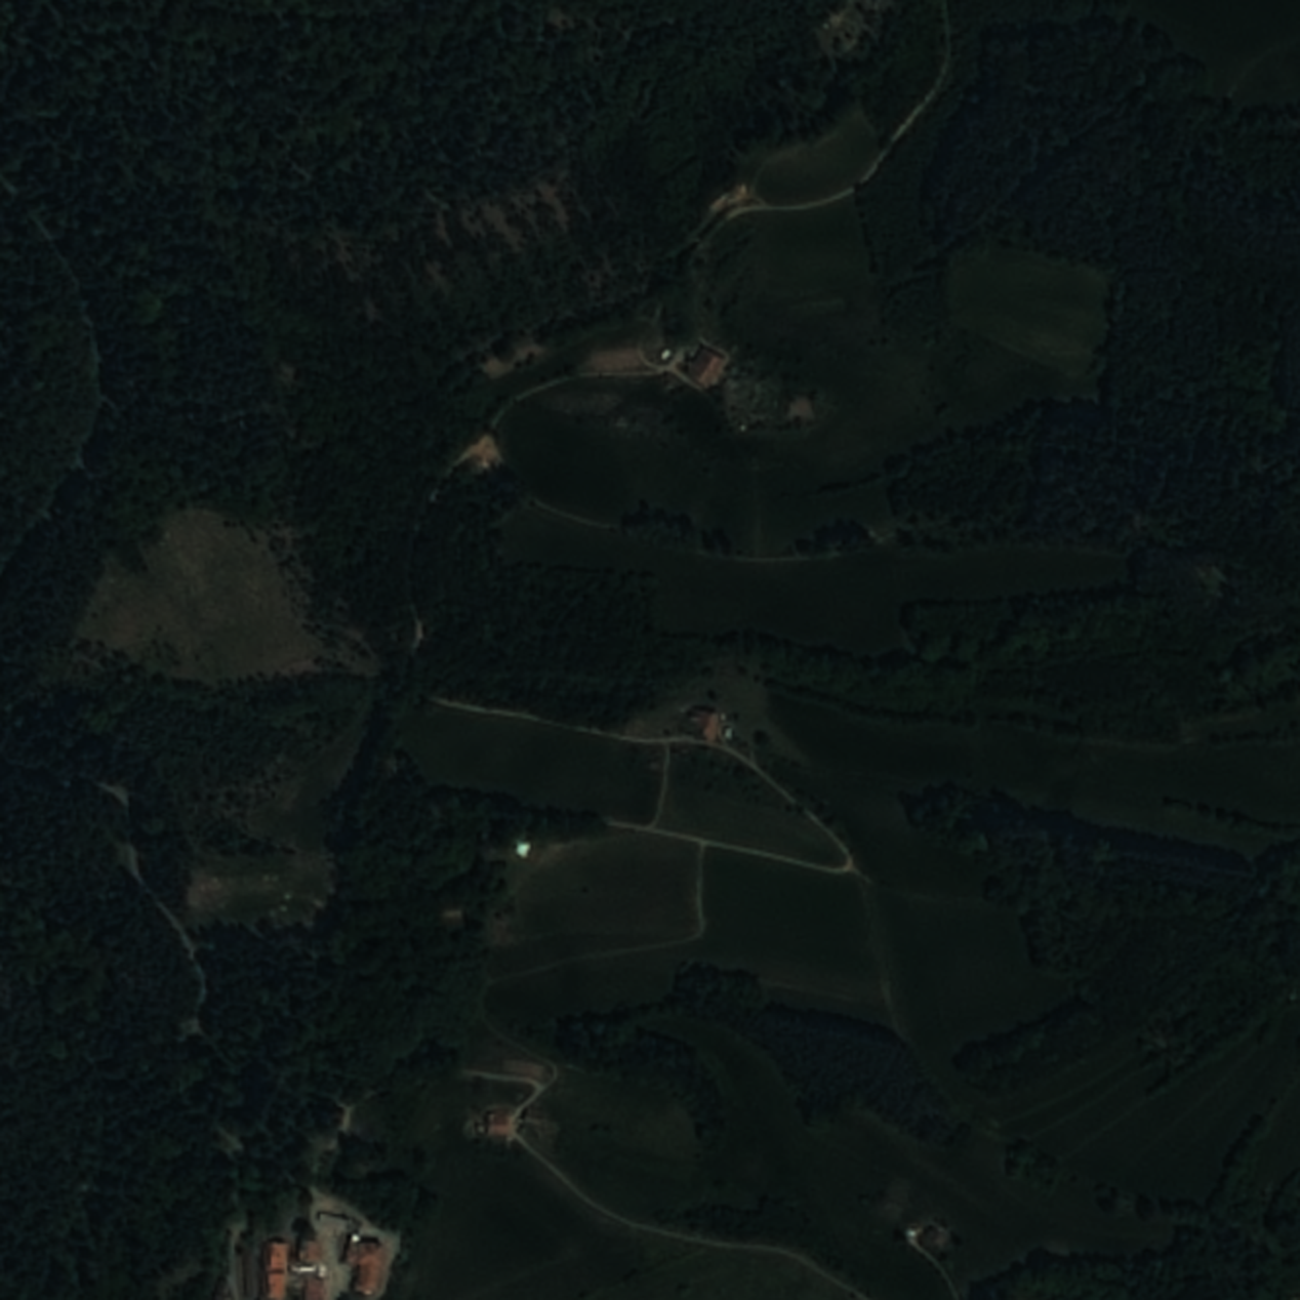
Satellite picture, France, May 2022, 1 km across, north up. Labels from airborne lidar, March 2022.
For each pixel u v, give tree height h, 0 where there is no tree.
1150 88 16
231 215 20
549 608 7
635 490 0
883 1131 0
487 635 10
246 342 33
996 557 0
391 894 22
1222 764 0
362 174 27
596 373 0
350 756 0
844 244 0
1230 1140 0
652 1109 0
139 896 27
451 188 33
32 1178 21
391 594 13
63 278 27
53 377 22
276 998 11
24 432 24
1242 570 21
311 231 16
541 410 0
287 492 11
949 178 24
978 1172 0
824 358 0
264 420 30
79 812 24
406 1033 27
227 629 0
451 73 25
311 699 20
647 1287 0
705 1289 0
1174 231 26
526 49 23
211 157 15
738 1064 0
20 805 32
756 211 0
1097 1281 14
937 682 29
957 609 0
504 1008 0
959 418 0
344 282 11
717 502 0
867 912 0
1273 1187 0
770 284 0
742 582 0
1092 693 9
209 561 0
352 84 30
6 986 24
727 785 0
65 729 32
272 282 12
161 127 39
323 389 11
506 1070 0
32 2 29
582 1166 0
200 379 32
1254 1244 19
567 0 9
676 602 0
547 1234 0
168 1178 22
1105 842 24
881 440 0
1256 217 30
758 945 0
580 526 0
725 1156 0
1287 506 21
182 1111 20
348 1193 8
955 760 0
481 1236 0
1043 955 21
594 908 0
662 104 11
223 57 28
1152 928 23
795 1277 0
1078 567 0
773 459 0
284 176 37
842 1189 0
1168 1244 0
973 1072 18
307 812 0
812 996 0
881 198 6
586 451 0
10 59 29
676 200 8
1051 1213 0
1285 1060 0
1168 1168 0
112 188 14
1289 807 0
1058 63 25
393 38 28
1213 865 25
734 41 8
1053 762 0
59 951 33
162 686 17
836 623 0
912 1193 0
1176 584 24
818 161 0
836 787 0
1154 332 20
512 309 10
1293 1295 9
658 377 0
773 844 0
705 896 0
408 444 12
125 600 0
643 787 0
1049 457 34
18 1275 31
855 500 0
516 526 0
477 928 21
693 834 0
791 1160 0
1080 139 23
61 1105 20
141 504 17
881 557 0
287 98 23
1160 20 0
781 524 0
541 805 0
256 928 0
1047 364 0
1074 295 0
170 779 9
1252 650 11
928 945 0
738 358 0
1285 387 32
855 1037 31
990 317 0
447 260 10
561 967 0
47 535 33
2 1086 28
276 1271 0
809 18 14
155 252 33
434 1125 0
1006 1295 21
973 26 8
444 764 0
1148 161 25
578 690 7
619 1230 0
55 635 23
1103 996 23
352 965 28
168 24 34
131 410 25
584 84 15
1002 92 30
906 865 0
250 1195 11
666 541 20
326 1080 31
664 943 0
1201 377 20
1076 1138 0
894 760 0
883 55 13
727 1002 20
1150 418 19
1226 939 13
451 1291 0
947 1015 0
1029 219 22
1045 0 7
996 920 0
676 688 12
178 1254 29
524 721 0
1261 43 0
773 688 9
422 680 15
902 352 0
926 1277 0
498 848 8
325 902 0
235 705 15
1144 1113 0
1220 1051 12
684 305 25
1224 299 22
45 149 41
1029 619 23
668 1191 0
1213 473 25
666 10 10
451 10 27
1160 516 21
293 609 0
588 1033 23
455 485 10
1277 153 11
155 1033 29
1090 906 31
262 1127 7
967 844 24
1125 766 0
